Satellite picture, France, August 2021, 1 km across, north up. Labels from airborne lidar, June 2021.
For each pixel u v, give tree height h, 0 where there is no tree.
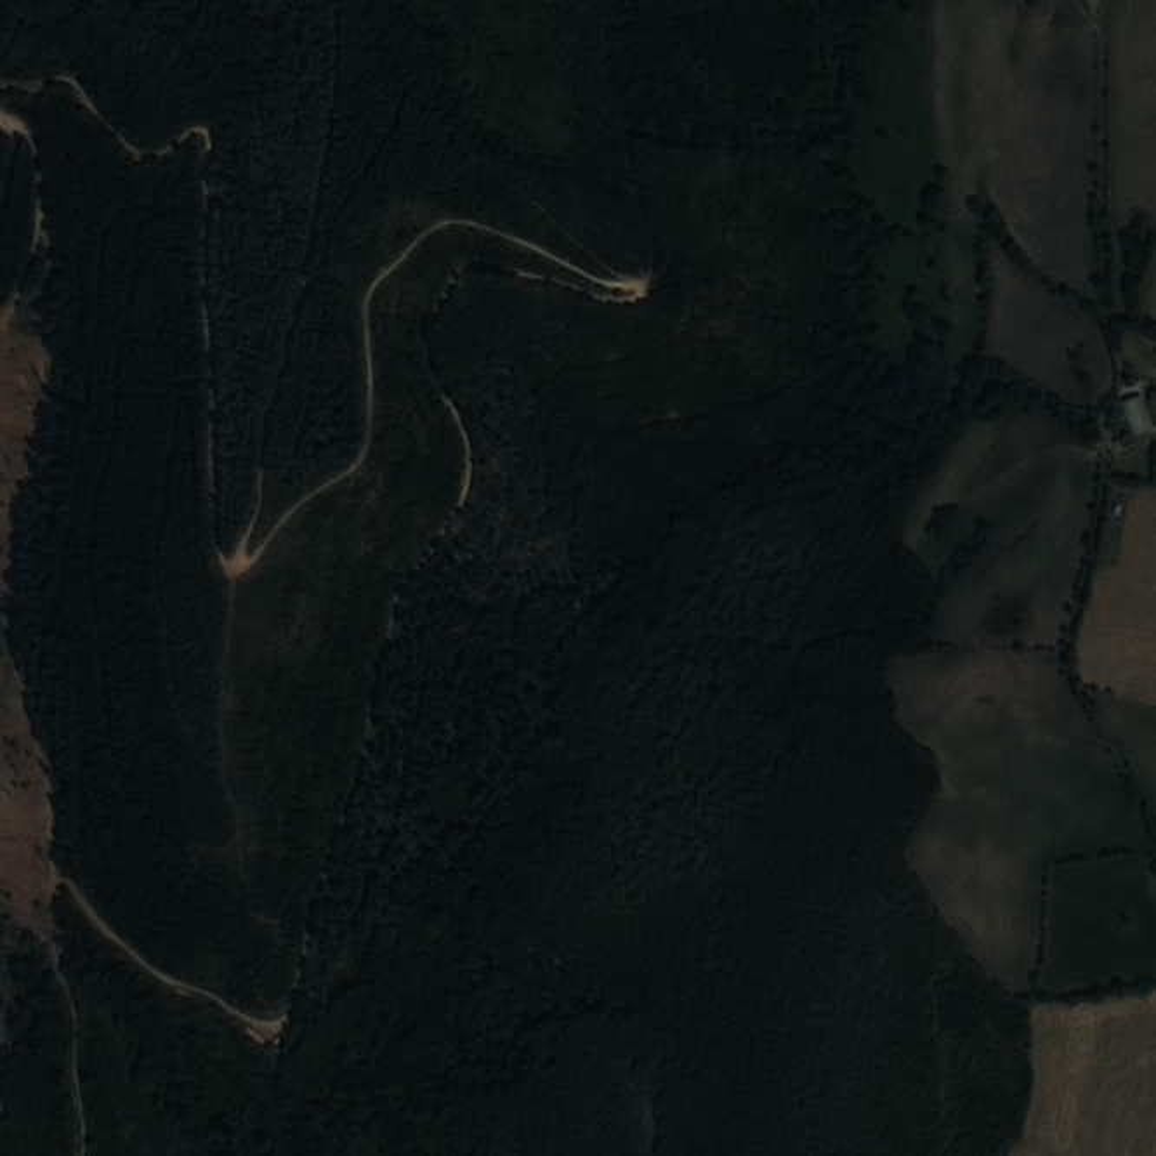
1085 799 0
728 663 17
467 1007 20
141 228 17
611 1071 11
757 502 14
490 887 22
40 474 31
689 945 15
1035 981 10
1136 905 0
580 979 22
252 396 20
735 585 9
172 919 16
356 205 21
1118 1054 0
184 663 6
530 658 23
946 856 0
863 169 0
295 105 12
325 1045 22
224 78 25
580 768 23
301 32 18
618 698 11
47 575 33
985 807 0
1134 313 8
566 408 13
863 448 21
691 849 7
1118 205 0
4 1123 16
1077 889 0
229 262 11
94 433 16
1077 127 0
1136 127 0
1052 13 0
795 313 11
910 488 20
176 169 13
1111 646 0
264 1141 15
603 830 19
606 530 17
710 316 6
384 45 17
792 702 16
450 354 23
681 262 12
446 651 28
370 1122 7
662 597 17
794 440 14
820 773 18
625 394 10
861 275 9
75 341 13
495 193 7
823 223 31
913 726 0
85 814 10
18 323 33
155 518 9
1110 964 0
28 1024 15
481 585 27
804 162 22
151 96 16
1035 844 0
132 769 10
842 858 12
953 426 18
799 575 12
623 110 5
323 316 18
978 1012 8
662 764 11
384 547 6
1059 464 0
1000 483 0
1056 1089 0
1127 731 0
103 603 13
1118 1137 0
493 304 20
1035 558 0
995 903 0
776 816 16
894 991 8
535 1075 18
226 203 13
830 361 9
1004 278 0
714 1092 14
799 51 10
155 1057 18
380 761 23
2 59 19
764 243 15
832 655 17
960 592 0
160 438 12
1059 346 0
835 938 8
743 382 10
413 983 25
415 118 24
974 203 11
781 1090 14
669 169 21
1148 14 0
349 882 24
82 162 10
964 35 0
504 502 7
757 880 18
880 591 21
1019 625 8
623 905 9
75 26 19
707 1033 16
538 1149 15
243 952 9
